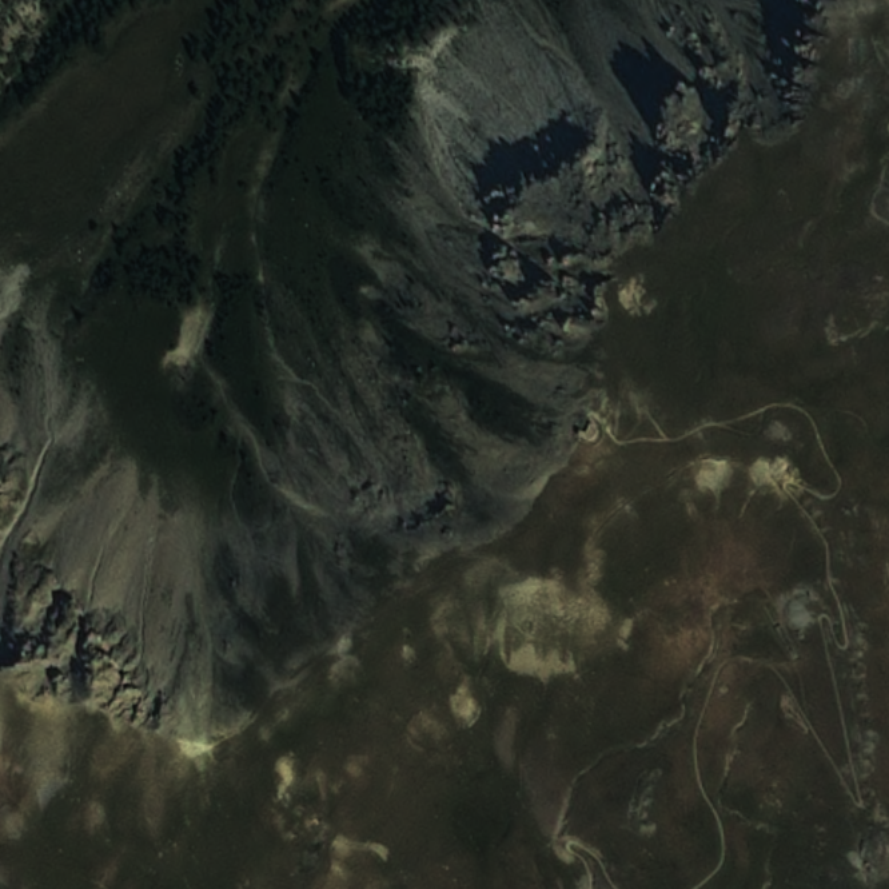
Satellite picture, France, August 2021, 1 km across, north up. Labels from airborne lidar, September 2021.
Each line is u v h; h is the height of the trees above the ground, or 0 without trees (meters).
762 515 0
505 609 0
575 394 0
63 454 0
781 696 0
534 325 0
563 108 0
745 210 0
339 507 0
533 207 0
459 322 0
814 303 0
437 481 0
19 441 0
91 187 0
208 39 0
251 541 0
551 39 0
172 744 0
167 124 0
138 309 0
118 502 0
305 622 0
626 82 0
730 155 0
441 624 0
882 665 0
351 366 0
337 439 0
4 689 0
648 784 0
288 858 0
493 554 0
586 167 0
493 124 0
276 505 0
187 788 0
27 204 0
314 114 0
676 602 0
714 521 0
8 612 0
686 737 0
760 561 0
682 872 0
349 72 23
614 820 0
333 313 0
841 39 0
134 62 0
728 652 0
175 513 0
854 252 0
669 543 0
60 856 0
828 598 0
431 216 0
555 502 0
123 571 0
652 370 0
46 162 0
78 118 0
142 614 0
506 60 0
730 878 0
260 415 0
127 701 0
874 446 0
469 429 0
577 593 0
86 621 0
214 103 0
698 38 0
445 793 0
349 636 0
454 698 0
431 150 0
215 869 0
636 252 0
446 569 0
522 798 0
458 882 0
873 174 0
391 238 0
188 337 0
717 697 0
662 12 0
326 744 0
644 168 0
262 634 0
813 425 0
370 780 0
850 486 0
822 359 0
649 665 0
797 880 0
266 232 0
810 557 0
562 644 0
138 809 0
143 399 0
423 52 0
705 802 0
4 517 0
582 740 0
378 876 0
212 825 0
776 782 0
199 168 13
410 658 0
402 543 0
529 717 0
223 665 0
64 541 0
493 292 0
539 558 0
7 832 0
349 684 0
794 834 0
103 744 0
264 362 0
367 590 0
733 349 0
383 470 0
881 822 0
